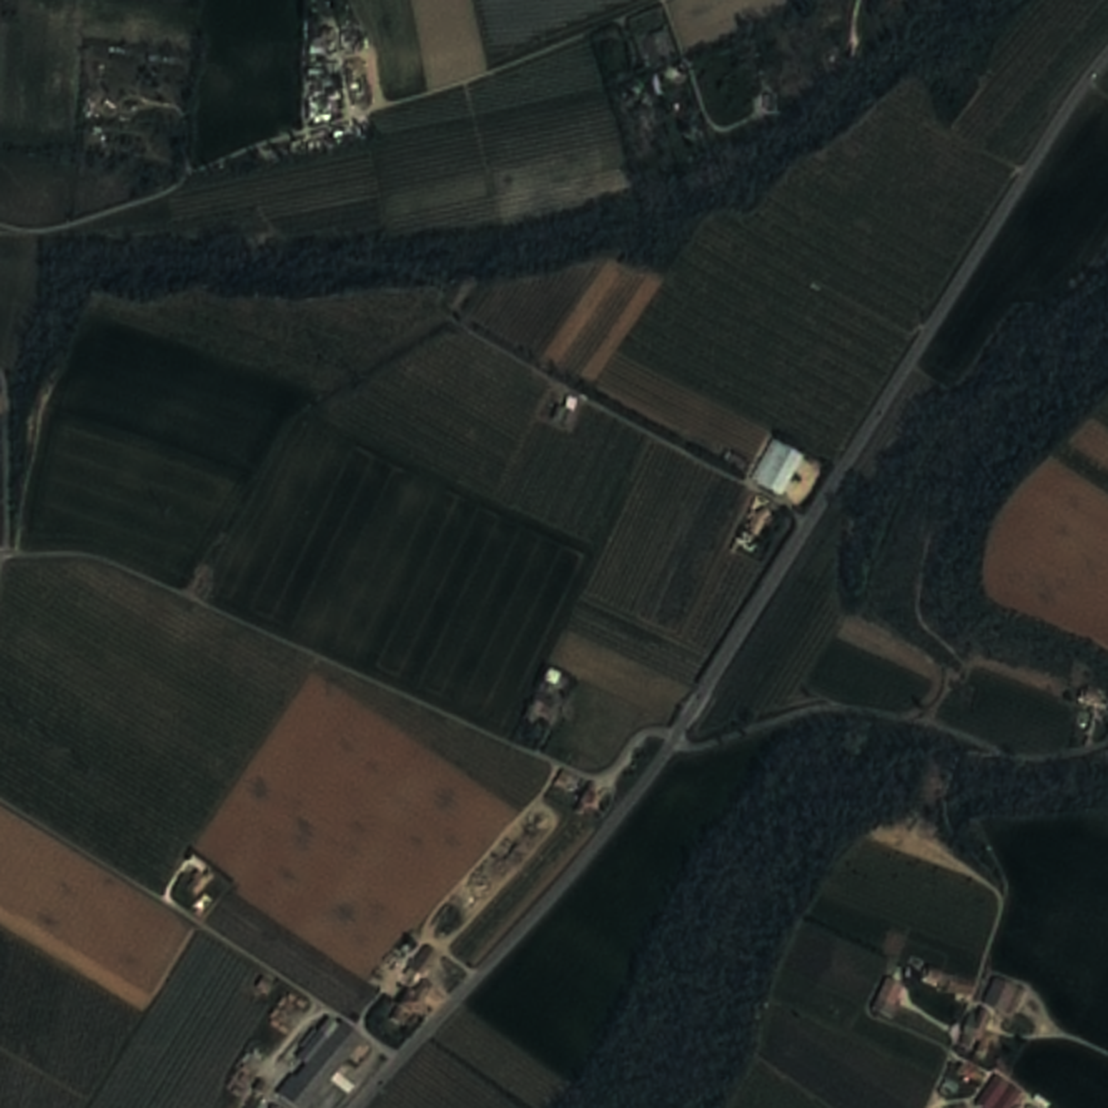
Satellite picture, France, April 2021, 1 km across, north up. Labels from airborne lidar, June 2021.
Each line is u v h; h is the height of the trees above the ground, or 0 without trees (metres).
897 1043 0
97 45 0
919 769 16
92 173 16
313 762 0
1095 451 0
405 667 0
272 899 0
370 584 0
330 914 0
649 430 12
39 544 0
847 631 0
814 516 0
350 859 0
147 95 0
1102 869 0
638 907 0
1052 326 16
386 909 0
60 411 0
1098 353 15
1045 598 0
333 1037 0
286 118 0
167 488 0
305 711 0
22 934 0
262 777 0
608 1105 17
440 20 0
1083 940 0
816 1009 0
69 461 0
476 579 0
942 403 13
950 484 9
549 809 0
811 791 16
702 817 0
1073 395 13
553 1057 0
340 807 0
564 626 0
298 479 0
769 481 0
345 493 0
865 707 0
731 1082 9
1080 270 0
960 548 12
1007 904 0
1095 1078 0
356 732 0
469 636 0
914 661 0
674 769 0
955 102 6
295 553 0
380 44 0
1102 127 0
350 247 16
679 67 7
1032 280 0
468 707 0
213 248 17
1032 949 0
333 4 7
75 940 0
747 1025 9
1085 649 8
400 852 0
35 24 0
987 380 9
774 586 0
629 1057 19
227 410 0
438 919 0
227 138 0
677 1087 22
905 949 0
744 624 0
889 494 16
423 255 7
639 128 9
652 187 16
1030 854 0
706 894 15
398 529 0
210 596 0
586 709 0
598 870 0
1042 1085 0
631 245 10
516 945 0
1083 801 7
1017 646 7
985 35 7
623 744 0
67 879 0
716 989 15
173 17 0
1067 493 0
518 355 9
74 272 11
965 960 0
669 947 19
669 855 0
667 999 10
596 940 0
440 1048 7
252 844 0
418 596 0
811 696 12
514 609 0
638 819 0
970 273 0
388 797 0
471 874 0
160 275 8
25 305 0
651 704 0
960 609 8
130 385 0
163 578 0
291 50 0
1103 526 0
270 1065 0
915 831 0
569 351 0
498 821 0
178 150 12
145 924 0
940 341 0
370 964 0
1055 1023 0
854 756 22
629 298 0
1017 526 0
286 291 9
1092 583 0
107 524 0
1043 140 0
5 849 0
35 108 0
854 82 15
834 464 7
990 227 0
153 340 0
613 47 7
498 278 8
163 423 0
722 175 12
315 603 0
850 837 11
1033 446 11
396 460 0
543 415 0
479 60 0
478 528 0
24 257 0
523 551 0
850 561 14
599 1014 0
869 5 11
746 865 9
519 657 0
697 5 0
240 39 0
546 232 9
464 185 0
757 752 0
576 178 0
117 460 0
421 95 0
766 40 23
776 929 11
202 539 0
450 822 0
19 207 0
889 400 0
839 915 0
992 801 10
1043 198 0
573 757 0
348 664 0
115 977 0
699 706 0
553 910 0
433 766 0
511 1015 0
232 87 0
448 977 0
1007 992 0
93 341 0
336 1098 0
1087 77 0
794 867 16
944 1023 0
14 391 9
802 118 16
